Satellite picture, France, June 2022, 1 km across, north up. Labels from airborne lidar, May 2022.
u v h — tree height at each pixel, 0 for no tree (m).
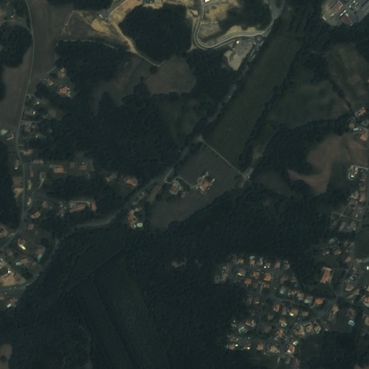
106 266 29
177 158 22
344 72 0
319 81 8
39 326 23
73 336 13
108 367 31
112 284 16
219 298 26
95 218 7
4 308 0
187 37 20
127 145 15
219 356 20
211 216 20
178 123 0
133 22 22
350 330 0
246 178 0
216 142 0
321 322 7
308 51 10
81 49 18
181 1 0
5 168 12
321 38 32
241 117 0
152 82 0
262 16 15
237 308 21
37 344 24
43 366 11
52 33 0
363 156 0
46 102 0
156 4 0
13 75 0
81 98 22
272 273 0
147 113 17
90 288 16
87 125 26
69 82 0
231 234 14
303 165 23
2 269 0
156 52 22
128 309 9
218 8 0
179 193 12
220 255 23
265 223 16
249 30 0
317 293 12
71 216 23
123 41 0
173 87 0
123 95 0
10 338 23
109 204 19
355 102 0
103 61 19
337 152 0
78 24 0
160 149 20
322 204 0
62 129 28
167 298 19
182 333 19
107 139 24
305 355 0
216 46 0
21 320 23
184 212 0
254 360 0
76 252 27
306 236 19
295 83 16
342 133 11
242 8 0
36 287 13
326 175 0
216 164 0
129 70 0
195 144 13
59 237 19
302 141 17
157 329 7
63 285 15
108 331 13
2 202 23
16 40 13
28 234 0
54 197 14
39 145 21
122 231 14
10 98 0
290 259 14
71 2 13
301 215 9
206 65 17
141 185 9
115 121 20
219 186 0
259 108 0
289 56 0
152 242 16
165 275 14
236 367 23
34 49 0
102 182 26
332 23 0
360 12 0
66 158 10
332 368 26
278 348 7
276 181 0
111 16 0
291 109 0
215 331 21
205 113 0
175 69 0
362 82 0
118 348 14
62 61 17
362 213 0
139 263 15
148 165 22
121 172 23
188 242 22
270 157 15
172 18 24
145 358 10
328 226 7
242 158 15
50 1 14
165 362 13
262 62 0
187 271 18
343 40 19
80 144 14
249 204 26
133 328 9
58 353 7
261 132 16
